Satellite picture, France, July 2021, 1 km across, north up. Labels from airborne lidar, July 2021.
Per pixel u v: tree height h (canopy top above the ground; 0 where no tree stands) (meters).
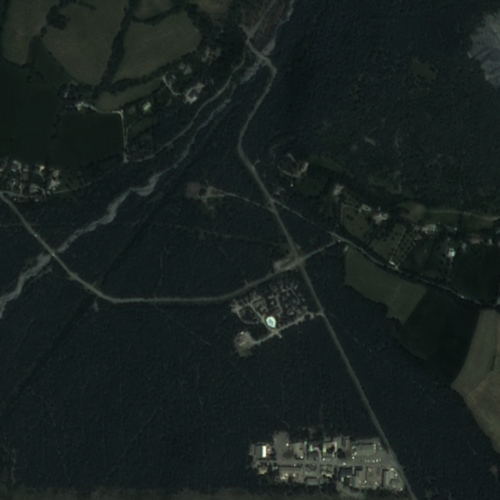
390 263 7
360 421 12
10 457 9
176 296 9
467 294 0
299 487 10
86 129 0
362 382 8
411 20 14
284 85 14
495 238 11
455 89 10
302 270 0
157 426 11
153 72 6
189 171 7
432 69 11
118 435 11
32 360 8
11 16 0
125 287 9
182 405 11
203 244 7
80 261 9
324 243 12
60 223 8
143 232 7
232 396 7
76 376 8
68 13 0
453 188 7
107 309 9
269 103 10
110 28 0
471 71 11
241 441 9
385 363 10
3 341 10
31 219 10
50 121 0
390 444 10
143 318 8
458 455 10
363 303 13
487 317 0
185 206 7
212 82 9
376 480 0
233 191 7
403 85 7
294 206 12
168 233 10
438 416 11
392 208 14
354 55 11
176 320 9
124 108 8
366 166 6
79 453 11
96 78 0
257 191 9
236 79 6
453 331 0
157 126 12
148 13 0
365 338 9
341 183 15
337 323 11
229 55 20
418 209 0
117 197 8
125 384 9
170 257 8
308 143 8
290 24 9
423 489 10
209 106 10
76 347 9
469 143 9
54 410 8
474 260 0
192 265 9
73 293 9
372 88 8
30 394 8
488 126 10
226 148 8
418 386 10
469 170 6
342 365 10
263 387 10
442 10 15
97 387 9
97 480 9
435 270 0
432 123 8
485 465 9
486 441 12
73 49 0
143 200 6
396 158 7
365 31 8
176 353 10
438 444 11
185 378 10
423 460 11
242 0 14
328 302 11
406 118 11
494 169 8
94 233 8
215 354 9
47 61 0
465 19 14
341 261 13
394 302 0
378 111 9
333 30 10
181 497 0
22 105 0
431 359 0
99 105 0
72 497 0
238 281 9
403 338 0
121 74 0
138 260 9
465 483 13
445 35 18
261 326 9
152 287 8
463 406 13
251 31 0
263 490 9
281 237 5
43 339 9
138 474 8
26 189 10
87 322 9
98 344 9
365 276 0
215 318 8
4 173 6
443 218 0
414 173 12
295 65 16
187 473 9
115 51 11
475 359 0
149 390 9
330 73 11
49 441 9
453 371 0
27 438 7
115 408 8
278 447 0
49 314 7
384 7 8
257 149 10
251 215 10
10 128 0
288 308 9
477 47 0
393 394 10
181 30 0
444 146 9
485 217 0
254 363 10
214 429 10
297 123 16
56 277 8
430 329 0
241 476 10
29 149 0
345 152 10
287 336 10
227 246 7
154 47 0
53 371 7
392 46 11
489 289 0
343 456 9
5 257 9
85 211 9
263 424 7
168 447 10
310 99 13
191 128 6
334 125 8
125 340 8
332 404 10
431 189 11
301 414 11
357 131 13
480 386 0
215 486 8
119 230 8
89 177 11
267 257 11
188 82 7
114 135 0
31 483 9
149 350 9
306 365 8
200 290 10
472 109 12
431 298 0
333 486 7
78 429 10
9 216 7
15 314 9
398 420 9
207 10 0
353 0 17
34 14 0
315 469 0
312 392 11
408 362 11
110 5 0
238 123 8
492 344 0
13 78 0
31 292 6
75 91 6
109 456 11
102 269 8
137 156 8
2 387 8
